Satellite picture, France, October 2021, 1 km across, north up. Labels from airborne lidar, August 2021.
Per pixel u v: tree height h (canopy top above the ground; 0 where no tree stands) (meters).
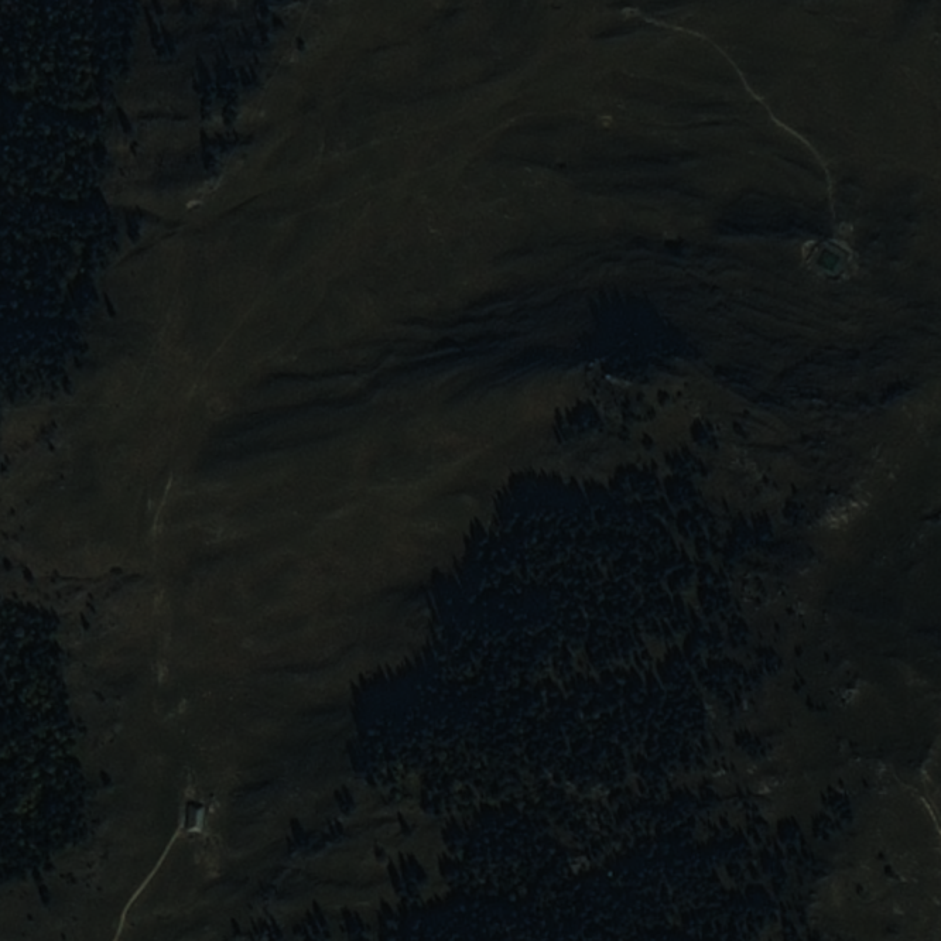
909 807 0
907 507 0
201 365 0
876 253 0
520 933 11
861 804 0
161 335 0
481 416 0
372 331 0
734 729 0
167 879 0
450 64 0
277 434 0
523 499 15
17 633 17
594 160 0
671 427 0
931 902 0
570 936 19
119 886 0
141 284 0
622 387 0
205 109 9
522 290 0
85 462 0
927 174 0
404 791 6
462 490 0
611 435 0
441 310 0
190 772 0
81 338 9
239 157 0
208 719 0
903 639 0
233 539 0
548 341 0
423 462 0
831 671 0
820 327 0
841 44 0
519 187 0
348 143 0
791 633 0
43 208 18
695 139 0
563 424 12
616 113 0
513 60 0
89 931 0
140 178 0
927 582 0
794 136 0
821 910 0
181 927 0
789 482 0
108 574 0
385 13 0
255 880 0
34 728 12
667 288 0
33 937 0
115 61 14
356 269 0
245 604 0
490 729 13
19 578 0
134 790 0
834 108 0
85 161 15
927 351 0
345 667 0
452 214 0
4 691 12
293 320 0
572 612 18
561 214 0
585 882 9
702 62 0
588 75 0
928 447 0
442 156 0
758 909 11
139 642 0
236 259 0
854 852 0
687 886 16
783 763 0
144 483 0
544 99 0
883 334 0
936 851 0
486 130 0
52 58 15
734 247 0
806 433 0
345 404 0
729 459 0
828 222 0
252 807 0
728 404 0
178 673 0
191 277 0
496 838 11
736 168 0
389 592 0
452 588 0
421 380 0
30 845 9
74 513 0
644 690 13
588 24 0
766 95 0
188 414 0
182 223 0
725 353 0
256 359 0
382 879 0
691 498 11
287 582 0
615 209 0
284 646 0
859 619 0
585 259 0
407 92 0
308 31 0
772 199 0
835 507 0
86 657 0
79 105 14
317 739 0
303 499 0
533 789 7
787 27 0
